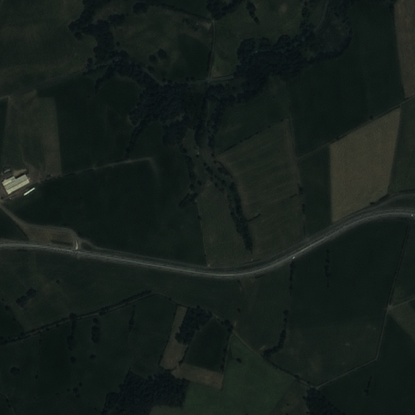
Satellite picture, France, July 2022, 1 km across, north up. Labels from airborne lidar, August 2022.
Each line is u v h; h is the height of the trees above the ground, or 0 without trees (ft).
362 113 0
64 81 0
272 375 0
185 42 0
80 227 0
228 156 0
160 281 0
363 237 0
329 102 0
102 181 0
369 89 0
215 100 73
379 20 0
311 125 0
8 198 0
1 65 0
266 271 0
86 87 0
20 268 0
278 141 0
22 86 0
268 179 0
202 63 0
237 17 0
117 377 0
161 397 79
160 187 0
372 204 19
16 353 0
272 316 0
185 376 0
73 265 0
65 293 0
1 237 0
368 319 0
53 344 0
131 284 0
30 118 0
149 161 0
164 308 0
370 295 0
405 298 0
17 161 0
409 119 0
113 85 0
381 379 0
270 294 0
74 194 0
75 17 0
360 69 0
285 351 0
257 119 0
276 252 0
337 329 0
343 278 0
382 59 0
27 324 0
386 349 0
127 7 0
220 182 31
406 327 0
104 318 0
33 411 0
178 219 0
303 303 0
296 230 0
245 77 52
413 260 0
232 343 0
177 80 0
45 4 0
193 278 0
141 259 0
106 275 0
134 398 65
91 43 0
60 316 0
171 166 0
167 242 0
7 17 0
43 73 0
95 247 0
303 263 0
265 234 0
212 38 0
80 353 0
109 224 0
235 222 38
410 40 0
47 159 0
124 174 0
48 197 0
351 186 0
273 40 0
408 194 0
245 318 0
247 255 0
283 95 0
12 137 0
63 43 0
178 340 59
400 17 0
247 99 62
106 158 0
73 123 0
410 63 0
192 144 0
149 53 0
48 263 0
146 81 76
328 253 37
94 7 64
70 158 0
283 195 0
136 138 49
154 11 0
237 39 0
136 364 0
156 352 0
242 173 0
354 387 0
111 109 0
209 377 0
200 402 0
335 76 0
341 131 0
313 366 0
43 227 0
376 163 0
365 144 0
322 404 46
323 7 0
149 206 0
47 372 0
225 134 0
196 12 0
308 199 0
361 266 0
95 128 0
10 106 0
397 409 0
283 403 0
